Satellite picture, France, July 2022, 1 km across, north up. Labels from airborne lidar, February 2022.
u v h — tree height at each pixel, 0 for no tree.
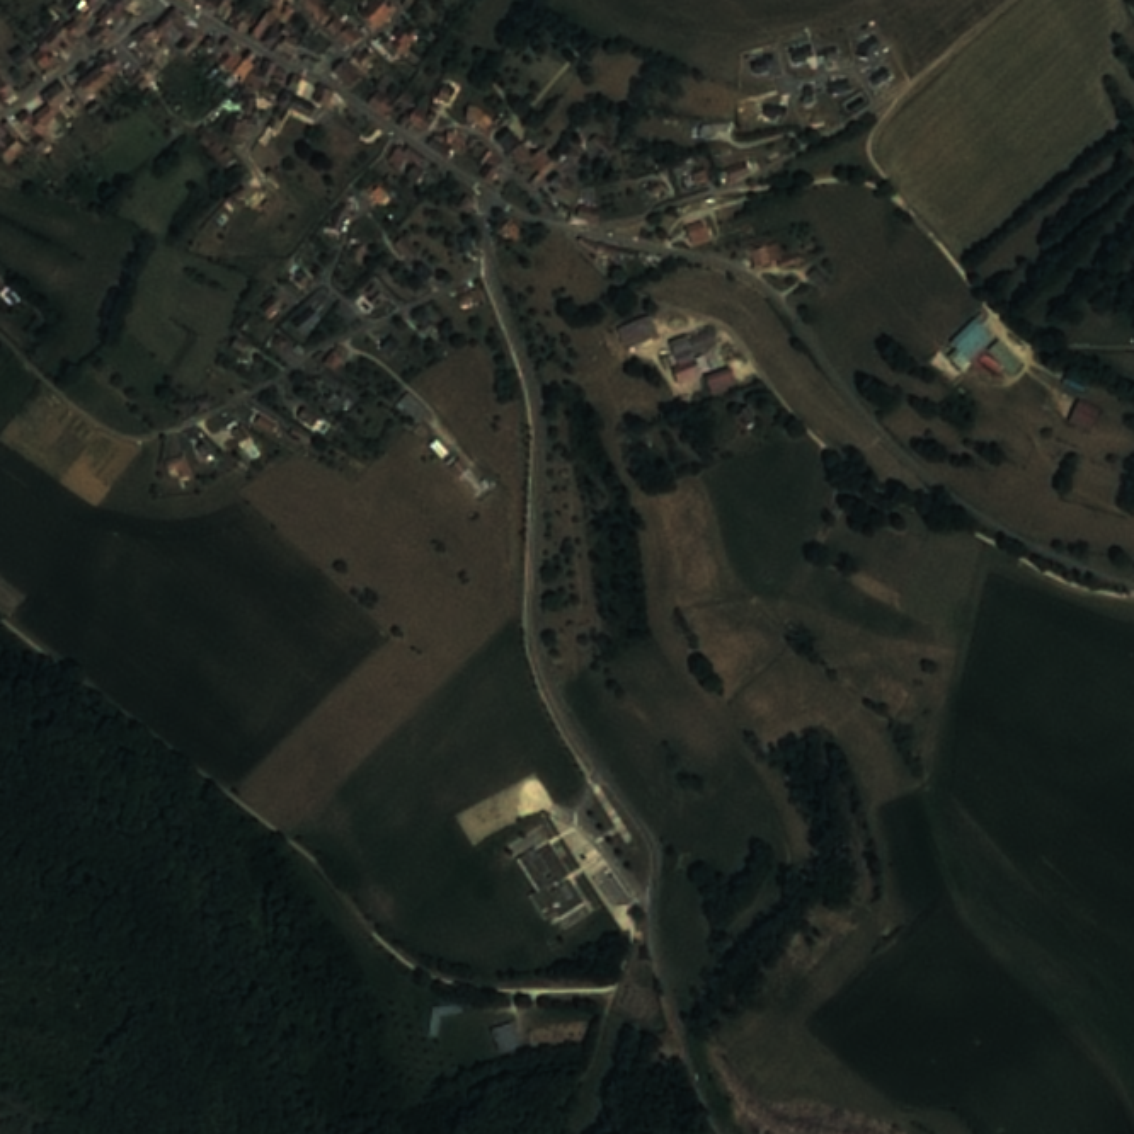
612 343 0
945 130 0
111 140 0
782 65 0
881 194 10
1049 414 0
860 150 0
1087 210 16
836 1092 0
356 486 0
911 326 0
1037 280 17
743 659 0
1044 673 0
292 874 17
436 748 0
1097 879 0
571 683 0
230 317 0
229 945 20
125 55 0
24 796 19
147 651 0
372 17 0
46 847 17
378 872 0
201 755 0
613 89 0
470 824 0
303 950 21
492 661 0
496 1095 18
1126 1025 0
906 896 0
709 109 0
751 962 26
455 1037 0
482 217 0
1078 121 0
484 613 0
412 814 0
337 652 0
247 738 0
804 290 6
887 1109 0
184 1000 19
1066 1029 0
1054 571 9
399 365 0
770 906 0
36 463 0
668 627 0
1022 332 18
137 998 17
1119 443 0
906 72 0
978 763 0
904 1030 0
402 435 0
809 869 21
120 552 0
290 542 0
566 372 10
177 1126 15
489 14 0
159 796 15
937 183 0
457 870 0
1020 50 0
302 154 14
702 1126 14
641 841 0
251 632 0
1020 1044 0
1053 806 0
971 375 0
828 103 0
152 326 0
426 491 0
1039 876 0
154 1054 19
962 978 0
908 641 0
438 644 0
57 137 0
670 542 0
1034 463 0
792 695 0
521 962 0
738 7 0
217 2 0
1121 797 0
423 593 0
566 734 0
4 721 19
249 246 0
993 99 0
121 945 18
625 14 0
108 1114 15
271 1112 22
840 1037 0
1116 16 0
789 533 0
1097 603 0
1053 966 0
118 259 0
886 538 0
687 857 0
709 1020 25
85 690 13
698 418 20
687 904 0
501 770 0
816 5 0
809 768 21
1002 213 0
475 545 0
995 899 0
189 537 0
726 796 0
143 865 17
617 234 0
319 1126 20
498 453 0
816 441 0
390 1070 10
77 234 0
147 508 0
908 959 0
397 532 0
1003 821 0
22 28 6
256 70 0
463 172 0
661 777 0
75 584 0
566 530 0
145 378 0
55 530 0
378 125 0
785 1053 0
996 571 0
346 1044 17
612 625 22
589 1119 0
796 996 0
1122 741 0
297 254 0
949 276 0
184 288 0
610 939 11
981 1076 0
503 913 0
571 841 0
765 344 0
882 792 0
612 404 0
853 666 0
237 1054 20
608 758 0
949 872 0
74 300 0
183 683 0
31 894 15
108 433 0
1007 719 0
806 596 0
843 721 0
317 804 0
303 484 0
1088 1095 0
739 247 6
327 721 0
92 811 18
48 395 0
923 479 0
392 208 6
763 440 0
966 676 0
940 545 0
